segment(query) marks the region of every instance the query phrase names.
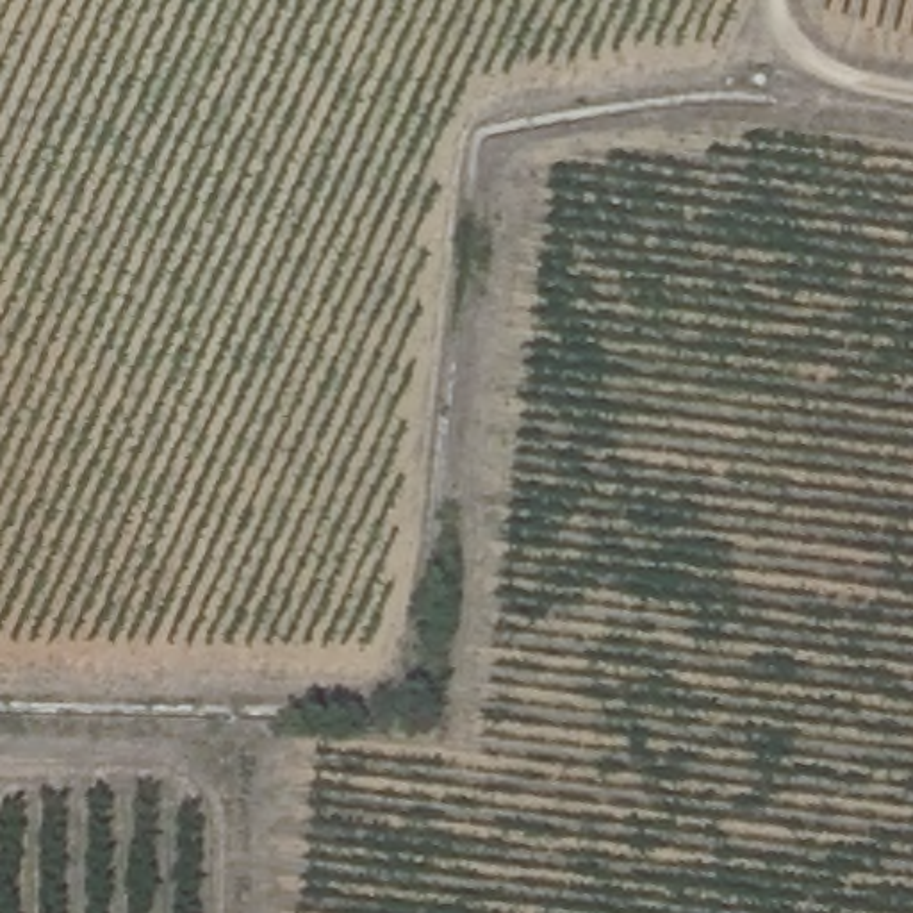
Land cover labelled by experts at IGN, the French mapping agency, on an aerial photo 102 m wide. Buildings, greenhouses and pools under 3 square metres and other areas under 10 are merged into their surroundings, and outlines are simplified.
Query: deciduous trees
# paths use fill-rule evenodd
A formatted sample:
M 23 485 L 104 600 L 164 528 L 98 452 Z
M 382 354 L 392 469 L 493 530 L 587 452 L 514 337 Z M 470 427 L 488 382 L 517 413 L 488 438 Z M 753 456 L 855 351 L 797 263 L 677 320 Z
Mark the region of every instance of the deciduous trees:
M 453 638 L 460 628 L 464 603 L 460 503 L 439 503 L 439 539 L 432 546 L 432 556 L 421 563 L 407 606 L 410 628 L 399 642 L 403 674 L 382 678 L 364 692 L 339 685 L 307 688 L 271 717 L 275 735 L 314 738 L 317 749 L 339 749 L 339 738 L 353 735 L 424 735 L 446 720 L 446 688 L 453 681 Z
M 474 221 L 474 214 L 464 214 L 453 232 L 453 314 L 481 307 L 481 300 L 489 296 L 492 267 L 492 232 Z
M 111 785 L 100 781 L 89 788 L 86 813 L 71 813 L 68 788 L 53 785 L 43 788 L 39 802 L 25 806 L 21 792 L 0 802 L 0 913 L 203 913 L 203 806 L 200 799 L 189 799 L 175 813 L 160 806 L 160 781 L 114 777 Z

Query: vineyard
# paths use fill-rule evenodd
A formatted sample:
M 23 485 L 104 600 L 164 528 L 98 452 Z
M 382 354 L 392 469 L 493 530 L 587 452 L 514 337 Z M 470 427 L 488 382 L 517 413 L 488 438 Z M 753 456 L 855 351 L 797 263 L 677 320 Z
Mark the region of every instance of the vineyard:
M 913 82 L 913 0 L 785 0 L 799 32 L 824 57 L 849 64 L 856 71 Z
M 453 314 L 453 232 L 464 214 L 474 214 L 474 221 L 492 232 L 492 267 L 489 296 L 481 300 L 481 307 Z M 0 638 L 153 642 L 160 635 L 168 642 L 292 642 L 296 628 L 307 628 L 307 642 L 314 642 L 314 631 L 325 631 L 325 642 L 367 646 L 382 628 L 392 596 L 392 578 L 385 578 L 385 563 L 396 539 L 421 556 L 421 563 L 432 556 L 432 546 L 439 539 L 439 503 L 460 503 L 464 603 L 460 628 L 453 638 L 453 681 L 446 688 L 446 720 L 424 735 L 353 735 L 339 738 L 339 749 L 317 749 L 307 802 L 307 870 L 296 913 L 913 913 L 913 103 L 856 93 L 849 86 L 838 86 L 799 68 L 781 50 L 767 21 L 767 0 L 0 0 Z

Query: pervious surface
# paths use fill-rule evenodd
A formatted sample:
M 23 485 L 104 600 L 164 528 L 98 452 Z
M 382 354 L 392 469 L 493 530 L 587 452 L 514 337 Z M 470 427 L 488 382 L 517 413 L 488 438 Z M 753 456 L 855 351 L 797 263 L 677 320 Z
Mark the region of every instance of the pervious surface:
M 767 21 L 781 50 L 799 68 L 838 86 L 849 86 L 856 93 L 913 103 L 913 82 L 856 71 L 849 64 L 824 57 L 799 32 L 785 0 L 767 0 Z
M 128 703 L 132 692 L 103 688 L 0 692 L 0 802 L 21 792 L 25 806 L 39 802 L 43 788 L 53 785 L 68 788 L 71 813 L 86 813 L 89 788 L 100 781 L 111 785 L 114 777 L 160 781 L 160 806 L 175 813 L 189 799 L 193 767 L 182 756 L 182 745 L 171 745 L 164 738 L 21 735 L 21 713 L 71 710 L 210 717 L 225 713 L 228 706 L 139 706 Z

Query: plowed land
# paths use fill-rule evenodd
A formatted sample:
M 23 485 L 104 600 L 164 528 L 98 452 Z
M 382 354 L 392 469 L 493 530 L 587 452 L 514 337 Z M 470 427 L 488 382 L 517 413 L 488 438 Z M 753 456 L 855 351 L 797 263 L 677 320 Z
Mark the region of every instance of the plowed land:
M 225 713 L 210 717 L 71 710 L 21 713 L 21 735 L 164 738 L 171 745 L 182 745 L 182 756 L 193 767 L 189 799 L 200 799 L 203 806 L 203 913 L 296 913 L 307 870 L 307 802 L 317 749 L 314 738 L 275 735 L 271 717 L 307 688 L 339 685 L 364 692 L 382 678 L 403 674 L 399 642 L 410 628 L 407 606 L 421 563 L 421 556 L 396 539 L 385 563 L 385 578 L 392 578 L 392 596 L 382 628 L 367 646 L 325 642 L 325 631 L 314 631 L 314 642 L 307 642 L 307 628 L 296 628 L 292 642 L 168 642 L 160 635 L 153 642 L 0 638 L 0 692 L 103 688 L 132 692 L 128 703 L 139 706 L 228 706 Z

